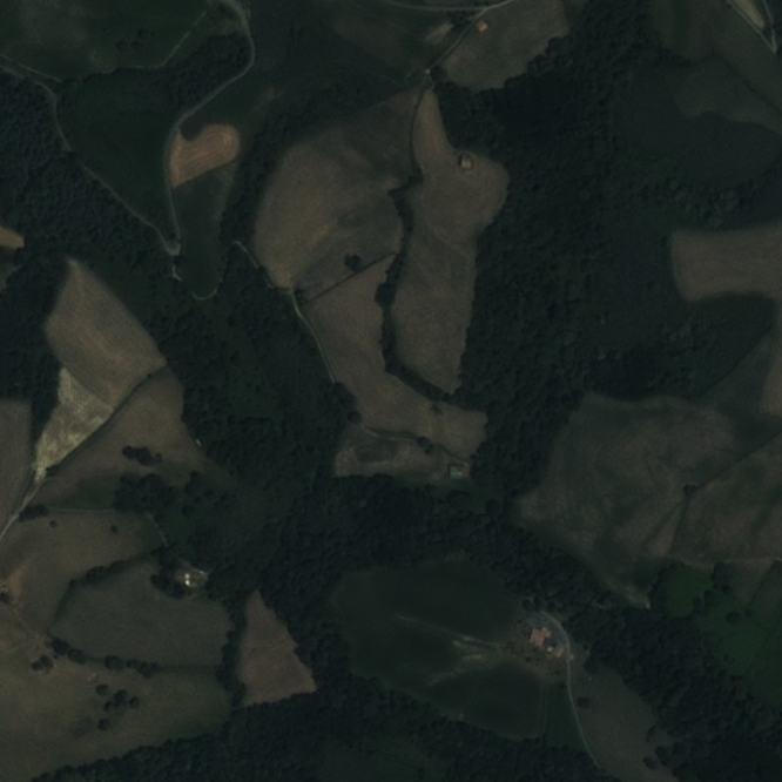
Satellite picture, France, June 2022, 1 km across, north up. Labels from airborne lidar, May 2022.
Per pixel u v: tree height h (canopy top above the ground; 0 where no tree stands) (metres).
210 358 12
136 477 0
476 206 0
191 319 16
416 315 0
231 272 14
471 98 22
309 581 10
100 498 0
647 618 20
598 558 0
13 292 12
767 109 0
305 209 0
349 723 22
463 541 23
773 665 0
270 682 0
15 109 24
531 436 23
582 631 14
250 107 0
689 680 29
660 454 0
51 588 0
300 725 19
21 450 0
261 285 12
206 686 0
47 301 10
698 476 0
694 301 0
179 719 0
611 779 10
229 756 23
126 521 0
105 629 0
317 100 11
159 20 0
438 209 0
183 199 0
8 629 0
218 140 0
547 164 15
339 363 0
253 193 11
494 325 14
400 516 23
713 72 0
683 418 0
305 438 18
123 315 0
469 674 0
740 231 0
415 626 0
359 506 11
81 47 0
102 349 0
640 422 0
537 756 24
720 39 0
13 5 0
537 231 20
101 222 25
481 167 0
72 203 19
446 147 0
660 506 0
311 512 19
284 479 9
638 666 24
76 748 0
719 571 14
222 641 0
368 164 0
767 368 0
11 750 0
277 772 24
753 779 30
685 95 0
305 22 0
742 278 0
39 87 8
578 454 0
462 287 0
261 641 0
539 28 0
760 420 0
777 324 0
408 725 8
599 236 27
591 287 21
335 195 0
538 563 28
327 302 0
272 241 0
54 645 9
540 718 0
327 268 0
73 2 0
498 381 18
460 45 0
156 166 0
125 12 0
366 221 0
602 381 18
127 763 15
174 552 12
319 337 0
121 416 0
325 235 0
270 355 8
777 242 0
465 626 0
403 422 0
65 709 0
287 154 0
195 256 0
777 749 26
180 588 16
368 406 0
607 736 0
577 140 21
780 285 0
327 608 10
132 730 0
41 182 33
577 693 0
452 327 0
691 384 15
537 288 22
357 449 0
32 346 13
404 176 0
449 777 8
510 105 26
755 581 0
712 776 19
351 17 0
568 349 16
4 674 0
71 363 0
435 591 0
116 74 11
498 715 0
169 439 0
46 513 12
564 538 0
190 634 0
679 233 0
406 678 0
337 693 23
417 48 0
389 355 14
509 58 0
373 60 0
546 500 0
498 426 13
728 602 0
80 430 0
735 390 0
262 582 19
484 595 0
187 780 24
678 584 0
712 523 0
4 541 0
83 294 0
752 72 0
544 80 17
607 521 0
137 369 0
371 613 0
